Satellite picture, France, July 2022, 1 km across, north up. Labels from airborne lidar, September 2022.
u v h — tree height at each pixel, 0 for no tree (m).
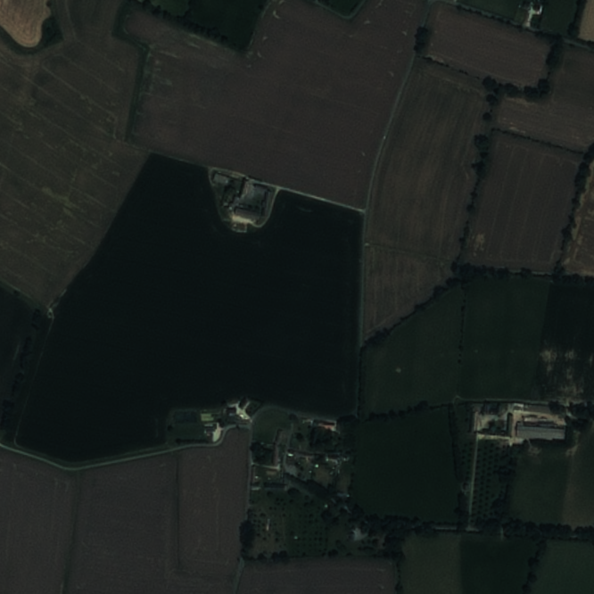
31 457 0
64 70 0
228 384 0
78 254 0
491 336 0
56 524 0
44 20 0
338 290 0
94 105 0
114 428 0
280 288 0
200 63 0
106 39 0
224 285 0
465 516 18
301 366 0
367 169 0
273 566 0
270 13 0
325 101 0
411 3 0
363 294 0
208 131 0
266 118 0
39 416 0
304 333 0
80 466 0
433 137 0
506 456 10
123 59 0
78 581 0
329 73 0
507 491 10
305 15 0
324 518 14
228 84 0
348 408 0
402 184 0
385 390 0
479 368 0
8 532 0
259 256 0
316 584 0
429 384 0
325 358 0
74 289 0
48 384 0
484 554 0
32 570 0
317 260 0
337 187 0
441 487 0
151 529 0
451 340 0
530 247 0
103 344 0
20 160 0
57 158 0
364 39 0
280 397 0
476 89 0
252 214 0
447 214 0
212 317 0
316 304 0
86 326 0
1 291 0
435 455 0
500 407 0
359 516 20
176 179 0
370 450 0
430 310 0
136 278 0
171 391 0
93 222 0
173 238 0
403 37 0
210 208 0
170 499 0
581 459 0
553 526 13
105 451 0
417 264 0
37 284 0
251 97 0
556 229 0
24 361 17
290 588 0
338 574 0
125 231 0
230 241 0
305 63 0
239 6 0
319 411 0
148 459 0
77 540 0
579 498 0
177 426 0
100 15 0
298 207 0
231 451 0
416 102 0
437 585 0
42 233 0
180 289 0
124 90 0
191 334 0
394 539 22
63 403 0
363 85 0
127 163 0
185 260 0
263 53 0
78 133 0
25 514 0
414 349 0
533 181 0
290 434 0
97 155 0
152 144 0
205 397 0
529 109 0
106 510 0
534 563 18
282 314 0
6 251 0
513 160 0
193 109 0
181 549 0
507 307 0
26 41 0
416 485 0
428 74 0
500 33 0
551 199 0
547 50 0
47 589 0
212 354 0
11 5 0
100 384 0
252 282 0
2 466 0
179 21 9
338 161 0
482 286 0
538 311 0
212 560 0
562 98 0
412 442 0
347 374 0
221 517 0
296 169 0
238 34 0
